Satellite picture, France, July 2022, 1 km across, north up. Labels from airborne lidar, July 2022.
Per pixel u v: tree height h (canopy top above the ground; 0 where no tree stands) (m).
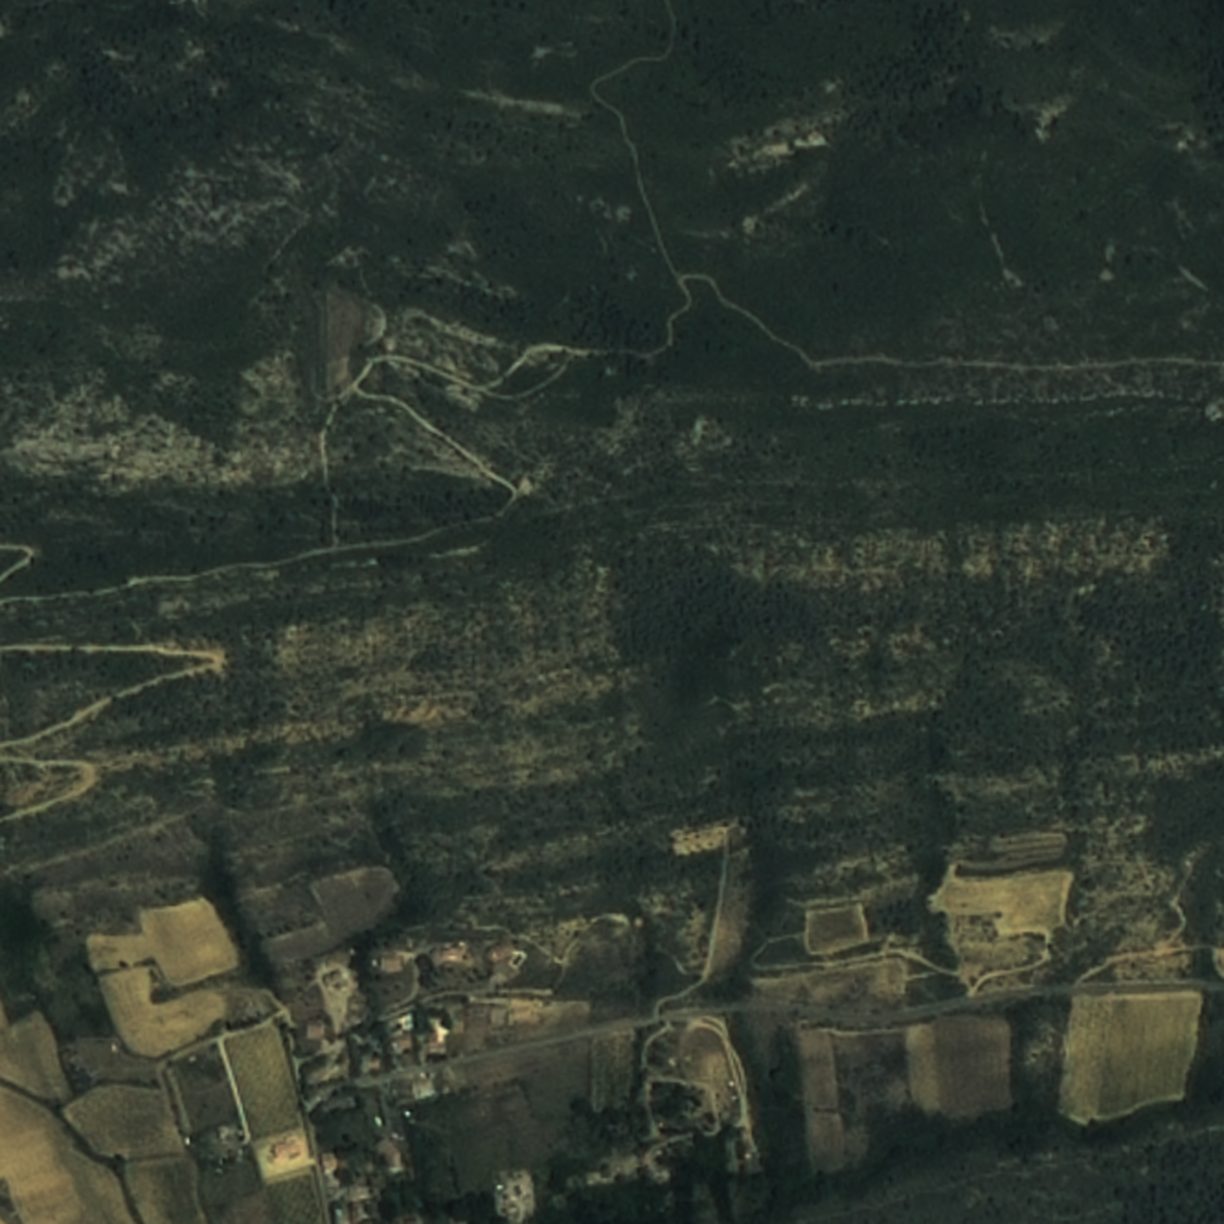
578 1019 0
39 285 0
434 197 0
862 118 8
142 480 0
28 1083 0
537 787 0
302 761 0
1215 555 6
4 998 0
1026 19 0
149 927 0
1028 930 0
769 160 0
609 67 0
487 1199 12
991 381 0
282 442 0
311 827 0
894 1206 0
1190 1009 0
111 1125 0
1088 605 9
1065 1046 0
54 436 0
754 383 0
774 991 0
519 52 0
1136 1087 0
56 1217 0
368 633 0
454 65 0
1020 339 0
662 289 0
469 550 0
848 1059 0
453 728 0
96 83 9
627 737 0
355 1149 11
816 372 0
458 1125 0
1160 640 7
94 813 0
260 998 0
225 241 0
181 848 0
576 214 0
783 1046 9
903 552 0
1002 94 7
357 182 0
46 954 0
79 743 6
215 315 0
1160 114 0
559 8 0
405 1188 11
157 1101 0
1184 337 0
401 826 7
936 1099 0
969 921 0
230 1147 0
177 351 0
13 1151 0
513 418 0
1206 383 0
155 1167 0
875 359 0
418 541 0
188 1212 0
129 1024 0
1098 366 0
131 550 0
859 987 0
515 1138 0
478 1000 0
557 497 7
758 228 5
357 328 0
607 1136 9
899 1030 0
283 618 6
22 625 7
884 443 0
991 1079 0
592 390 0
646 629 9
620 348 6
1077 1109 0
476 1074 0
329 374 0
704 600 13
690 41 11
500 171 0
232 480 0
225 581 0
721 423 8
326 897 0
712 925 0
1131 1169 7
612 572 6
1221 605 7
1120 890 0
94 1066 0
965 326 0
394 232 0
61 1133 0
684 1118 7
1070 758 12
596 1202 6
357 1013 0
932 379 0
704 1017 0
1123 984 0
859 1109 0
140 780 0
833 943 0
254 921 0
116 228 0
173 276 0
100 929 0
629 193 0
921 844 6
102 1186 0
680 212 0
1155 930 0
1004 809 6
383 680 0
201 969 0
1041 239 0
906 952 0
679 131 0
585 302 7
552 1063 0
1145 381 0
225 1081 0
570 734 0
